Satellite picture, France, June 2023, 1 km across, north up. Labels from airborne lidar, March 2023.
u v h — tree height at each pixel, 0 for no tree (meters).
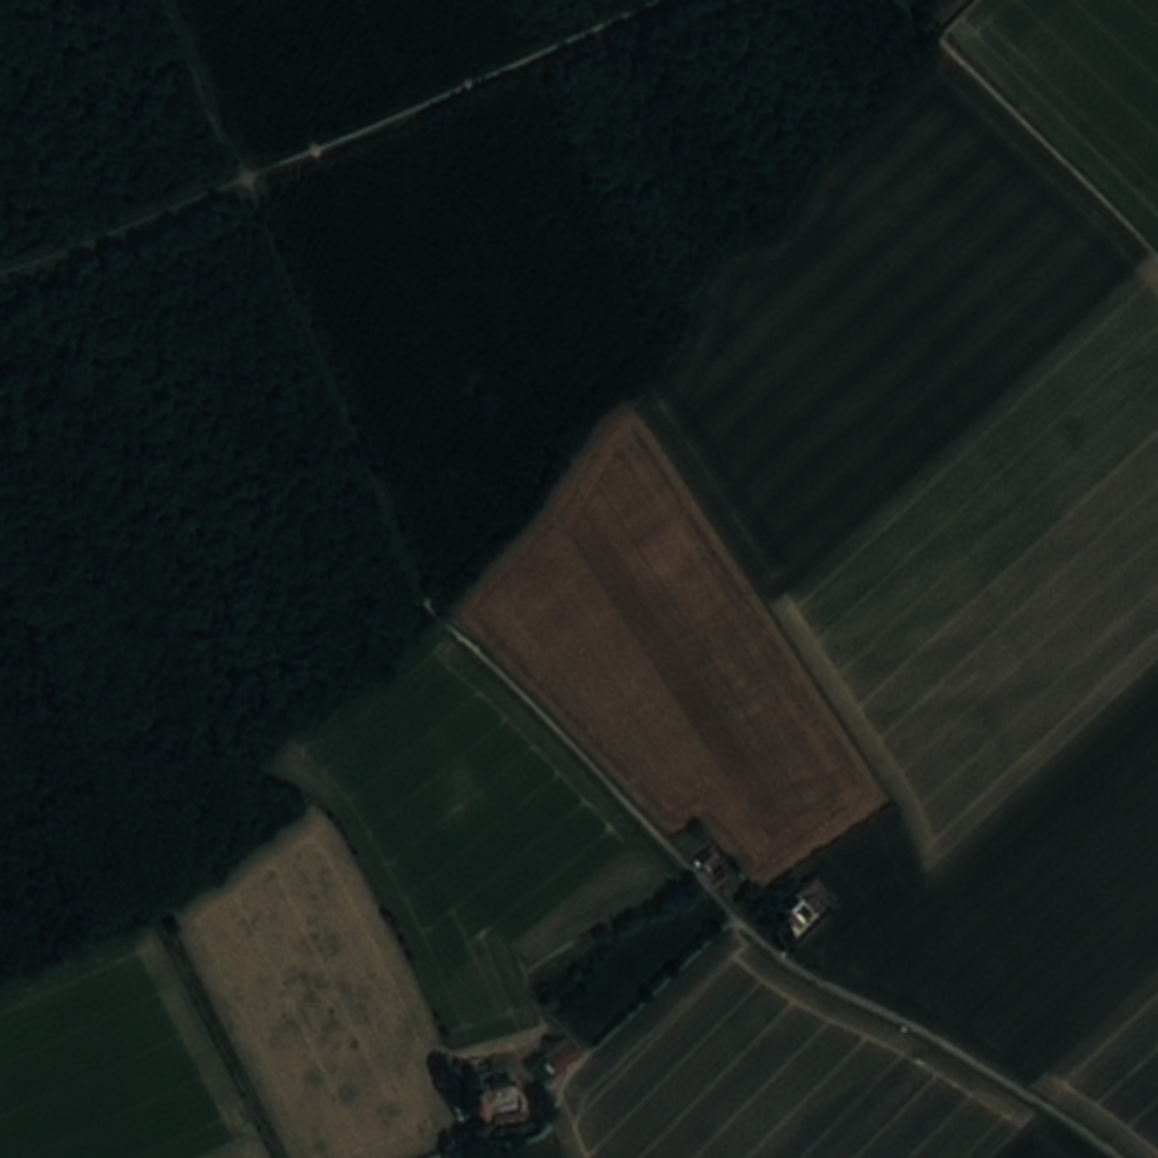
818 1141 0
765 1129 0
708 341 0
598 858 0
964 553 0
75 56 23
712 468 0
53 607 32
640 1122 0
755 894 7
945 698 0
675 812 0
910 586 0
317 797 0
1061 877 0
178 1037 0
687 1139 0
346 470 21
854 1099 0
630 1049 0
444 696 0
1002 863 0
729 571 0
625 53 18
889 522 0
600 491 0
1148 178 0
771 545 0
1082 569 0
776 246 0
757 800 0
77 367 27
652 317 20
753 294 0
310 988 0
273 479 19
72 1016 0
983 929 0
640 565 0
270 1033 0
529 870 0
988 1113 0
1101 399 0
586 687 0
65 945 25
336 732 0
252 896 0
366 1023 0
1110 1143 0
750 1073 0
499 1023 0
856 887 0
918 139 0
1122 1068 0
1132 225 0
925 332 0
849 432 0
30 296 25
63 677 38
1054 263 0
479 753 0
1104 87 0
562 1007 10
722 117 24
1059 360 0
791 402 0
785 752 0
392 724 0
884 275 0
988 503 0
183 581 22
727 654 0
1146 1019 0
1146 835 0
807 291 0
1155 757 0
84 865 31
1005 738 0
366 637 23
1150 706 0
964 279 0
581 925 0
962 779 0
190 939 0
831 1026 0
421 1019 0
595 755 0
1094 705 0
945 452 0
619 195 25
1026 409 0
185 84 20
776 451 0
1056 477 0
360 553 21
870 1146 0
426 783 0
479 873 0
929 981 0
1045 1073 0
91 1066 0
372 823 0
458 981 0
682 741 0
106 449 22
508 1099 0
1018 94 0
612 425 0
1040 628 0
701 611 0
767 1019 0
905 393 0
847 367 0
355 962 0
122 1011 0
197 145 19
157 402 26
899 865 0
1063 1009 0
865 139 0
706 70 25
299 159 0
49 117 21
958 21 0
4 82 24
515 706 0
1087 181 0
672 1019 0
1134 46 0
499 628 0
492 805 0
